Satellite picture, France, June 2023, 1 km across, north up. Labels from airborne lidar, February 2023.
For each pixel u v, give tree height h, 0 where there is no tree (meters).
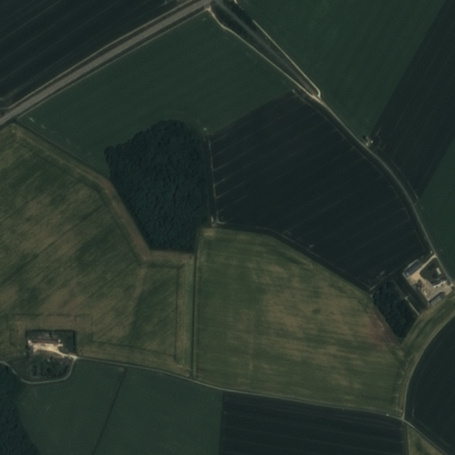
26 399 0
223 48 0
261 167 0
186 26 0
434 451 0
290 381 0
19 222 0
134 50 0
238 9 11
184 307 0
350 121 0
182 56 0
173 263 0
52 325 0
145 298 0
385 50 0
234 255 0
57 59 0
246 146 0
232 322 0
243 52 0
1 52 0
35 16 0
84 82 0
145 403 0
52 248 0
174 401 0
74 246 0
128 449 0
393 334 0
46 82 0
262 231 0
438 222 0
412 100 0
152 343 0
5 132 0
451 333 0
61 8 0
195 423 0
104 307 0
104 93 0
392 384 0
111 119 0
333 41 0
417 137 0
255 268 0
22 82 0
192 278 0
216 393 0
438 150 0
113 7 0
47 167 0
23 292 0
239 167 0
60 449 0
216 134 0
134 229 0
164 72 0
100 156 0
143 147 19
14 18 0
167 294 0
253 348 0
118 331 0
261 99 0
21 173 0
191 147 20
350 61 0
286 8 0
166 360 0
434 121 0
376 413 0
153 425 0
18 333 0
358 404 0
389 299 19
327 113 0
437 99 0
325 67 0
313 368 0
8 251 0
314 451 0
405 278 0
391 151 0
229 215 0
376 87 0
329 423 0
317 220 0
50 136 0
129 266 0
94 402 0
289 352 0
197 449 0
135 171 12
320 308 0
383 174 0
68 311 0
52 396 0
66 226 0
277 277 0
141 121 0
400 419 0
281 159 0
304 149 0
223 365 0
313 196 0
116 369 0
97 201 0
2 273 0
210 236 0
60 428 0
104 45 0
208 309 0
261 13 0
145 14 0
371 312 0
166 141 22
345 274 0
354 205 0
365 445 0
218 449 0
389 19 0
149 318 0
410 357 0
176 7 0
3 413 22
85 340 0
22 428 16
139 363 0
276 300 0
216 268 0
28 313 0
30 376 0
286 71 0
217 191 0
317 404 0
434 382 0
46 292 0
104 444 0
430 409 0
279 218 0
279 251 0
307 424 0
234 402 0
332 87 0
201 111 0
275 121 0
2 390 22
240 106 0
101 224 0
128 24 0
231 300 0
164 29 0
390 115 0
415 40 0
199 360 0
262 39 0
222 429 0
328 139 0
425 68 0
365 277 0
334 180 0
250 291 0
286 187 0
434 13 0
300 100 0
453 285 0
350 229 0
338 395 0
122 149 15
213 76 0
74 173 0
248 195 0
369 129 0
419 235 0
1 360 0
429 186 0
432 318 0
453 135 0
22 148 0
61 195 0
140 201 20
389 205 0
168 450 0
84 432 0
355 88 0
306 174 0
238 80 0
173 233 19
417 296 0
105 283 0
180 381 0
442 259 0
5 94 0
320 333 0
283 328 0
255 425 0
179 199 23
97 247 0
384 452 0
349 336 0
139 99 0
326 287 0
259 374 0
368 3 0
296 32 0
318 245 0
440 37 0
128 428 0
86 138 0
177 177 19
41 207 0
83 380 0
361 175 0
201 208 20
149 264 0
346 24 0
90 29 0
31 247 0
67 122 0
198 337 0
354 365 0
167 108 0
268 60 0
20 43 0
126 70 0
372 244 0
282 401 0
